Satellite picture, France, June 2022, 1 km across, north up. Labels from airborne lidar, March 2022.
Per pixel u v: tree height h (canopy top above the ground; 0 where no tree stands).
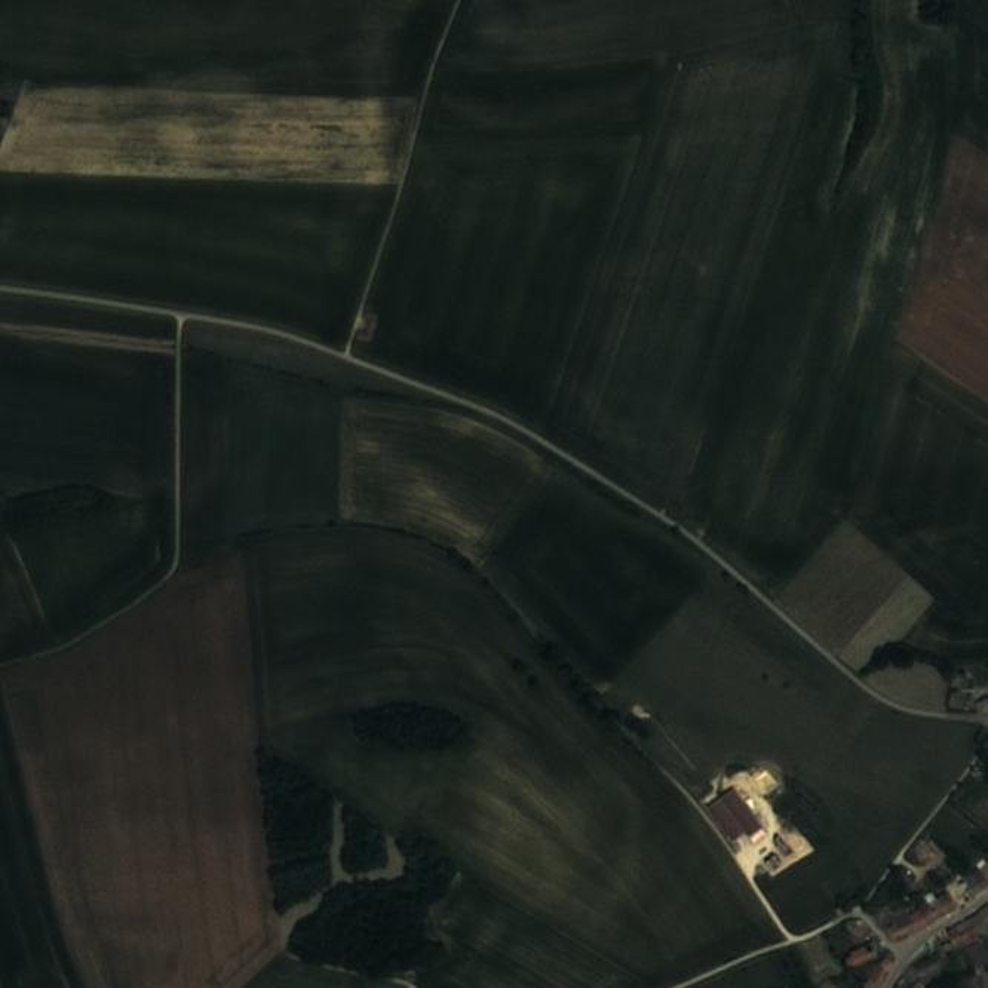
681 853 0
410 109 0
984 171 0
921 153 0
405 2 0
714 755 0
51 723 0
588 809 0
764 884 0
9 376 0
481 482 0
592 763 0
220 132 0
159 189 0
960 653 0
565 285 0
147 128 0
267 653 0
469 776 0
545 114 0
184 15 0
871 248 0
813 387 0
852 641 0
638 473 0
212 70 0
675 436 0
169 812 0
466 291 0
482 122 0
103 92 0
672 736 0
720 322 0
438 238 0
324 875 12
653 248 0
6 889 0
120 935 0
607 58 0
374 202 0
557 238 0
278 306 0
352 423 0
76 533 0
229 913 0
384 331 0
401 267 0
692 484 0
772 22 0
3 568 0
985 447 0
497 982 0
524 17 0
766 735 0
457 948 0
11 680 0
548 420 0
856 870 0
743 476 0
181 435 0
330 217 0
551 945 0
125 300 0
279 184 0
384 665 0
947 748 0
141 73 0
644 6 0
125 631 0
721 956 0
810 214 0
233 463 0
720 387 0
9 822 0
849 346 0
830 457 0
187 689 0
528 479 0
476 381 0
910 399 0
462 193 0
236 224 0
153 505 0
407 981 0
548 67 0
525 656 0
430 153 0
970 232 0
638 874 0
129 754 0
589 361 0
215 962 0
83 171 0
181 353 0
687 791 0
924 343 0
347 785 0
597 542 0
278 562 0
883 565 0
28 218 0
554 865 0
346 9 0
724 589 0
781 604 0
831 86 0
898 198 0
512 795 0
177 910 0
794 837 0
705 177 0
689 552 0
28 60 0
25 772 0
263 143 0
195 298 0
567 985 0
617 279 0
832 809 0
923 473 0
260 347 0
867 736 0
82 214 0
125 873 0
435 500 0
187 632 0
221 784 0
